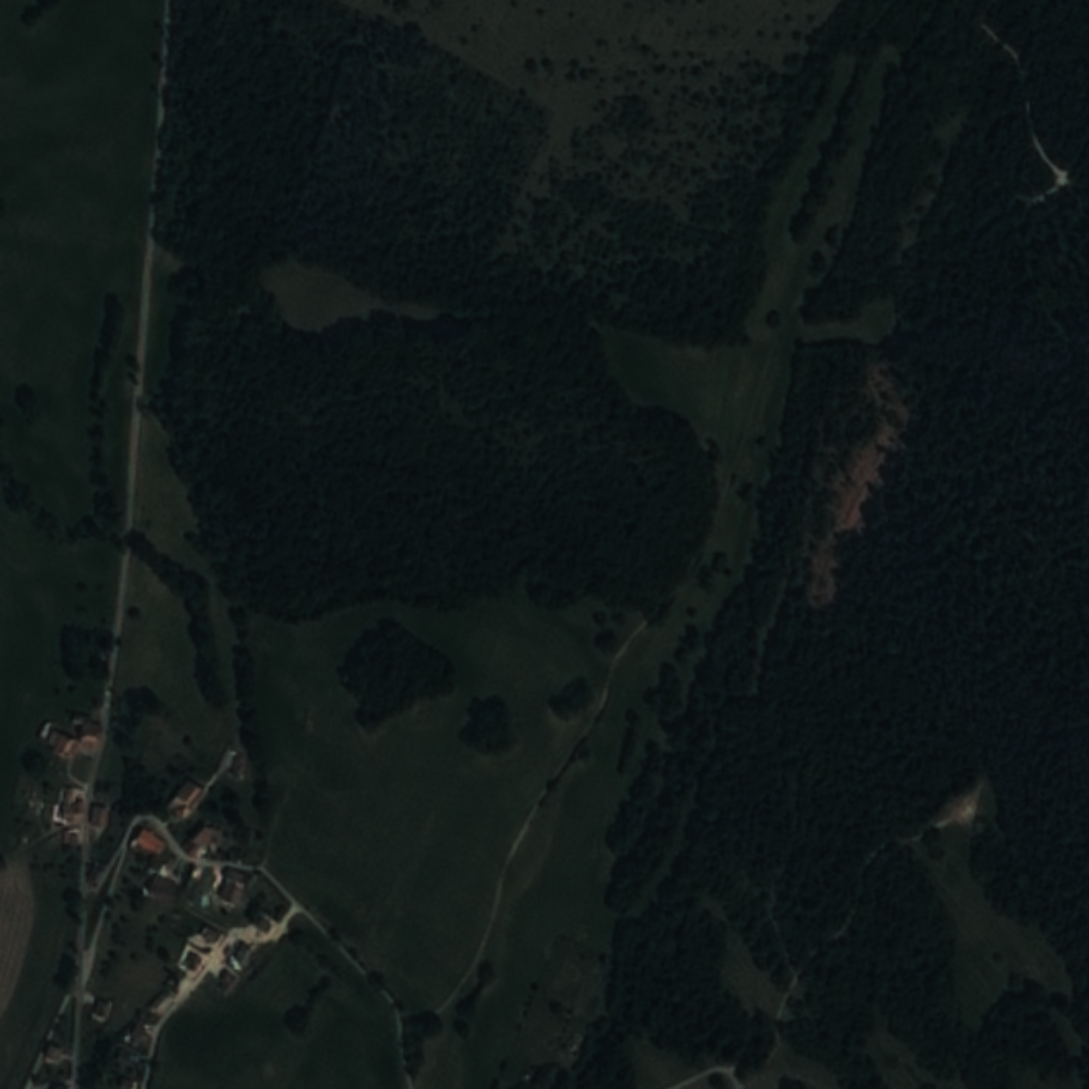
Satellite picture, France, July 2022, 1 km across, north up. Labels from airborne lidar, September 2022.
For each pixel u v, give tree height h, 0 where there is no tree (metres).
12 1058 0
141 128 0
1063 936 13
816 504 11
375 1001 0
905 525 18
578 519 7
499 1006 0
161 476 0
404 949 0
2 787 0
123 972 0
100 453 15
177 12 15
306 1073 0
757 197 10
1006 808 18
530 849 0
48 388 0
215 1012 0
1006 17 6
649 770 17
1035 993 17
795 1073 0
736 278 10
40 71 0
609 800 0
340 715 0
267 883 7
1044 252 22
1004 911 11
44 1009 0
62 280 0
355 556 15
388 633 15
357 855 0
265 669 0
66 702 0
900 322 9
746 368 0
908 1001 10
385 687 14
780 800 15
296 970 0
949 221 13
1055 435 30
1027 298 22
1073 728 21
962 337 26
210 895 0
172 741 0
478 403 7
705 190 8
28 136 0
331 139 11
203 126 11
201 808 6
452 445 10
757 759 13
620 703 0
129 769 10
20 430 0
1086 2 13
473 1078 0
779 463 16
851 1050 9
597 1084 11
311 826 0
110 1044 11
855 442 12
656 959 20
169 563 18
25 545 0
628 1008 16
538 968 0
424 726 0
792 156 17
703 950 10
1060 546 8
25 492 19
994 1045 17
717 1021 15
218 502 22
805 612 10
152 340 0
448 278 9
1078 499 21
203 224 12
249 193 12
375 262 19
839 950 12
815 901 17
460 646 0
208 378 16
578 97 0
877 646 14
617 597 15
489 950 0
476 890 0
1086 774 20
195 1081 0
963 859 0
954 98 7
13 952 0
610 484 10
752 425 0
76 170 0
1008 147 20
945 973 8
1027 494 14
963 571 10
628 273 13
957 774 16
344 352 24
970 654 18
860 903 12
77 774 0
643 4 0
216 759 0
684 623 0
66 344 0
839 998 8
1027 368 26
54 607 0
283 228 17
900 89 15
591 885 0
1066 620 7
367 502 6
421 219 9
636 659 0
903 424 10
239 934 0
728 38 0
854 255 13
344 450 10
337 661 0
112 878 0
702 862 12
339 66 17
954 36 11
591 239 6
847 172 0
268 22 15
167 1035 0
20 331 0
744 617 14
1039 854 14
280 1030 0
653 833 23
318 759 0
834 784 9
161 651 0
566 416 6
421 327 22
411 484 11
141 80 0
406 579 11
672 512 7
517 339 13
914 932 16
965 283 20
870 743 8
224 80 13
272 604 14
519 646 0
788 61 8
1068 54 12
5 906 0
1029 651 7
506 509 8
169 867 0
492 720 25
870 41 10
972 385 13
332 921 0
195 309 17
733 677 23
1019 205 12
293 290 0
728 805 23
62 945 0
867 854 10
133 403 0
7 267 0
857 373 11
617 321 12
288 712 0
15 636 0
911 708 17
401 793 0
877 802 15
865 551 15
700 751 15
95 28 0
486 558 14
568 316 20
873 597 11
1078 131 16
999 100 13
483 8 0
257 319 15
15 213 0
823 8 0
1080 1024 12
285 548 20
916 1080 0
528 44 0
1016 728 21
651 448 9
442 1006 0
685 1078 0
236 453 22
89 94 0
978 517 15
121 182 0
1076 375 25
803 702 12
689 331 18
